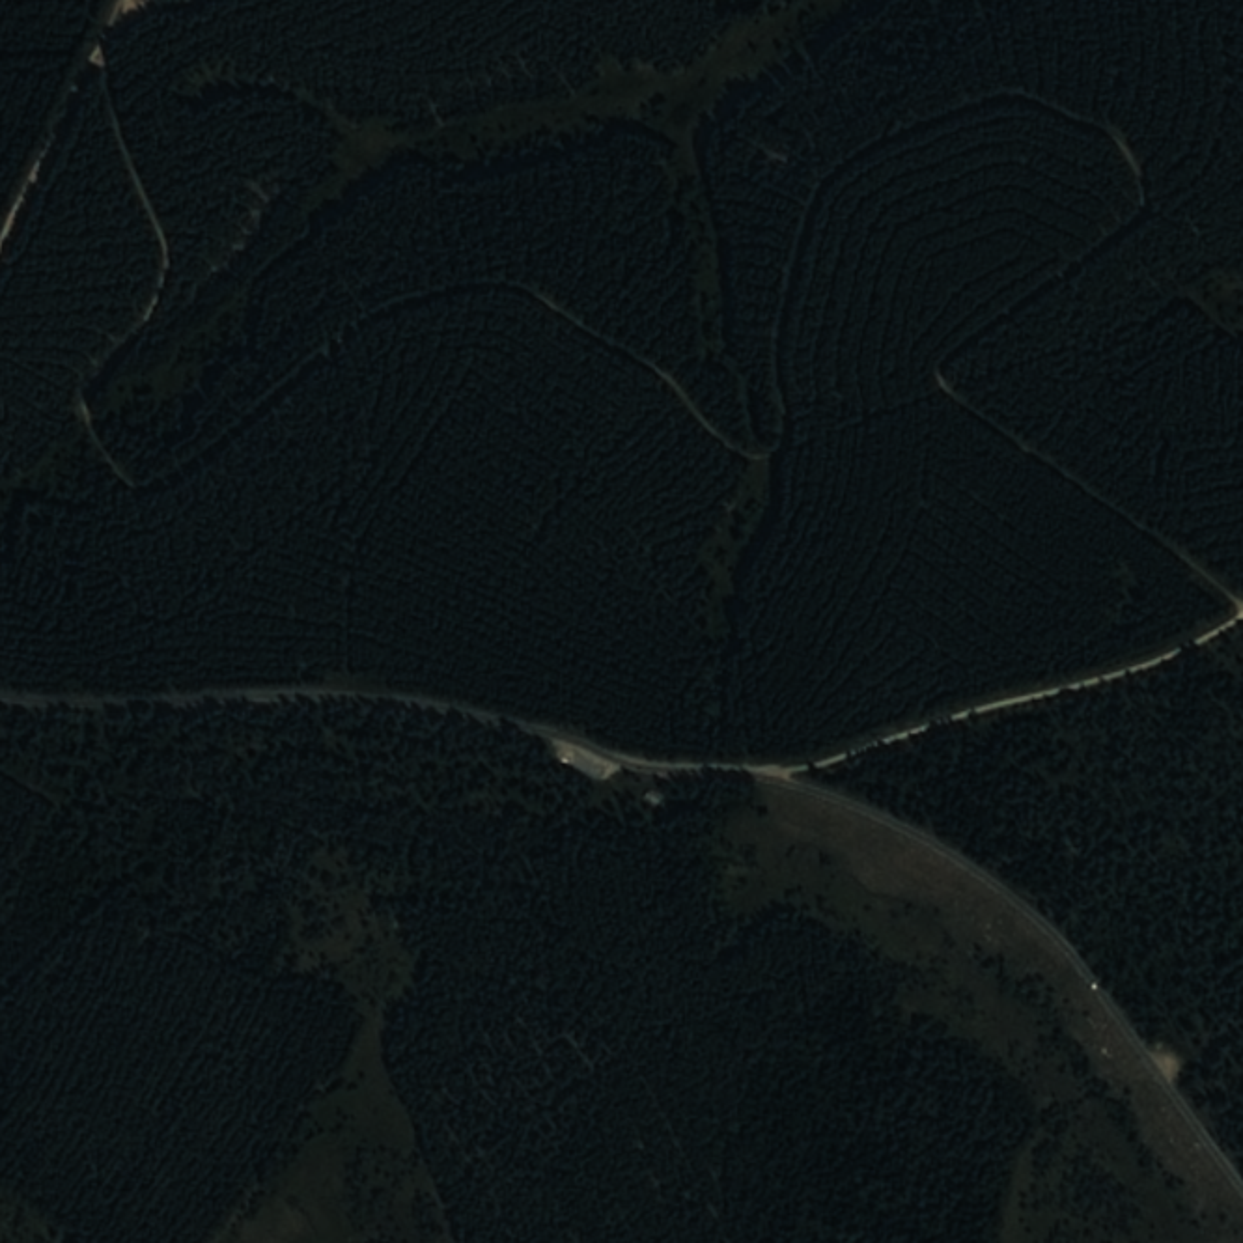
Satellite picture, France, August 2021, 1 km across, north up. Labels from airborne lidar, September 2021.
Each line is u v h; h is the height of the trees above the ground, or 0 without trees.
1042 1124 8
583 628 17
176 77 25
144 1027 20
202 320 24
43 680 18
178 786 13
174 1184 15
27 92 16
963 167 16
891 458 19
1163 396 21
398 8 23
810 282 12
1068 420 21
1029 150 17
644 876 21
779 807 0
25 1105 17
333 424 15
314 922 7
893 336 15
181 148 22
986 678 18
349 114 24
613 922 19
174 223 15
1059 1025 6
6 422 16
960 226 15
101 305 9
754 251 19
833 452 19
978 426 20
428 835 18
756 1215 9
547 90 23
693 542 19
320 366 12
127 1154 11
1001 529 15
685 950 23
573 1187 18
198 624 19
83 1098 17
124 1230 17
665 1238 16
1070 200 15
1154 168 18
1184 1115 0
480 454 22
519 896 11
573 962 21
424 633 19
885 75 19
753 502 7
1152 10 18
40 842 9
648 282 24
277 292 26
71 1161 15
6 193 14
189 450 22
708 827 14
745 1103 12
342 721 18
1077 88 18
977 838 13
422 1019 19
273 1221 0
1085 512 20
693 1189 16
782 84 27
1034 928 0
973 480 18
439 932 23
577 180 17
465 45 22
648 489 19
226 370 24
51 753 6
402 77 20
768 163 9
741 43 0
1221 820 8
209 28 23
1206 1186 0
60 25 14
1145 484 24
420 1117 22
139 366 23
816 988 19
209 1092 14
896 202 12
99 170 21
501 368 13
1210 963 17
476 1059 18
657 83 0
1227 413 22
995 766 15
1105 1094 14
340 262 19
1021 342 25
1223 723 12
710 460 21
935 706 19
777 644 20
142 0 0
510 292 16
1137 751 14
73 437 22
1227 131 15
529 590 19
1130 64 19
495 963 15
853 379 14
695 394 22
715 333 10
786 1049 9
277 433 19
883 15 18
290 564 16
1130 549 20
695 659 19
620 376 17
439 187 25
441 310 15
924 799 9
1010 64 16
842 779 17
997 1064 8
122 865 10
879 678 18
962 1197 10
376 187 22
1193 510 15
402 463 18
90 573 19
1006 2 10
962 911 0
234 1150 14
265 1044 12
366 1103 0
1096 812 10
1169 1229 0
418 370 15
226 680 15
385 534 16
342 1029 16
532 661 22
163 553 19
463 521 18
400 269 17
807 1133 8
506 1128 17
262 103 20
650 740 24
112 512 17
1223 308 9
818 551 20
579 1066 19
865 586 14
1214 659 10
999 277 14
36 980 16
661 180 22
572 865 20
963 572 16
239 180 15
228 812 12
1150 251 21
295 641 13
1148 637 20
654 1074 15
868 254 15
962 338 14
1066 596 18
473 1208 20
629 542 16
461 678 20
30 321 14
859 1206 14
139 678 22
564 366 22
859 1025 15
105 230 12
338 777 12
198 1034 17
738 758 19
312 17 18
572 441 21
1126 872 18
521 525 17
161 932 17
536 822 11
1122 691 12
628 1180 14
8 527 7
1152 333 24
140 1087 16
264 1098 20
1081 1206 8
